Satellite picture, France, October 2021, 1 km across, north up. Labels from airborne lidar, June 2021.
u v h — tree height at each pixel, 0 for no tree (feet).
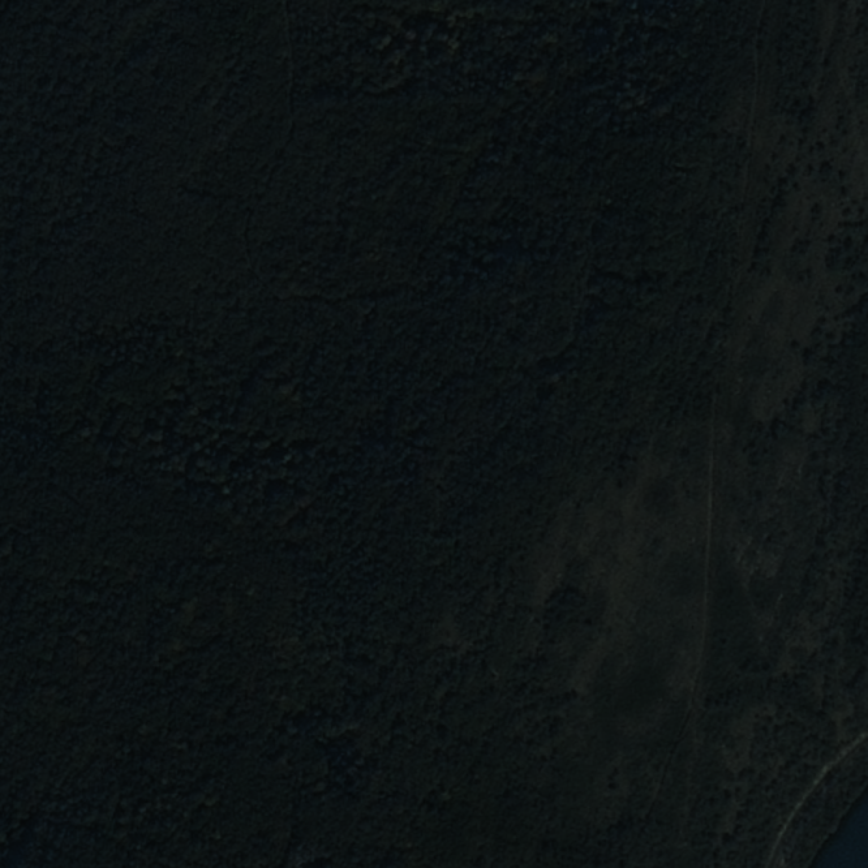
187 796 64
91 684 39
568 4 64
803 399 29
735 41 29
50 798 42
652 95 63
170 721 58
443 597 40
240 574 55
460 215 56
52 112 43
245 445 77
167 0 31
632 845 39
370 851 34
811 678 30
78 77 45
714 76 35
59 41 31
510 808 63
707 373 24
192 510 51
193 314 41
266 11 32
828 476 19
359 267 47
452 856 79
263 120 26
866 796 0
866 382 41
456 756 56
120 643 33
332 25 26
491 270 50
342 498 43
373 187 51
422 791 45
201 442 59
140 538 65
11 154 31
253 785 53
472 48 42
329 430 68
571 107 47
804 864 36
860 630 26
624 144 62
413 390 55
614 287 55
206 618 63
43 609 45
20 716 47
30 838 57
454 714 38
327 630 53
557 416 56
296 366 39
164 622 58
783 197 33
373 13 52
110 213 63
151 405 100
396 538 52
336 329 31
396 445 46
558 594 28
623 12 78
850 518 29
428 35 75
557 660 23
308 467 75
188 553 54
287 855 80
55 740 49
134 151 48
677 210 42
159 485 52
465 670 42
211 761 60
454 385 53
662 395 19
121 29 41
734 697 28
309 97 37
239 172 24
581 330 44
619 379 31
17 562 49
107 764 45
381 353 42
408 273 51
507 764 47
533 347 56
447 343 70
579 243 40
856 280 28
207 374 56
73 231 44
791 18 21
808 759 28
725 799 24
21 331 63
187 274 58
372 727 55
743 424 28
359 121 51
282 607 43
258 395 67
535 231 59
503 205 44
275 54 31
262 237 33
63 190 31
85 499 46
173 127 44
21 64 31
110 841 71
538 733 25
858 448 56
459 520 30
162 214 50
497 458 69
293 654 37
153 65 43
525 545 24
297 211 41
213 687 61
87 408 65
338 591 48
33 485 52
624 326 65
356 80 60
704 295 40
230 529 56
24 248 40
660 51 74
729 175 29
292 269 74
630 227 57
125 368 67
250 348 22
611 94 67
